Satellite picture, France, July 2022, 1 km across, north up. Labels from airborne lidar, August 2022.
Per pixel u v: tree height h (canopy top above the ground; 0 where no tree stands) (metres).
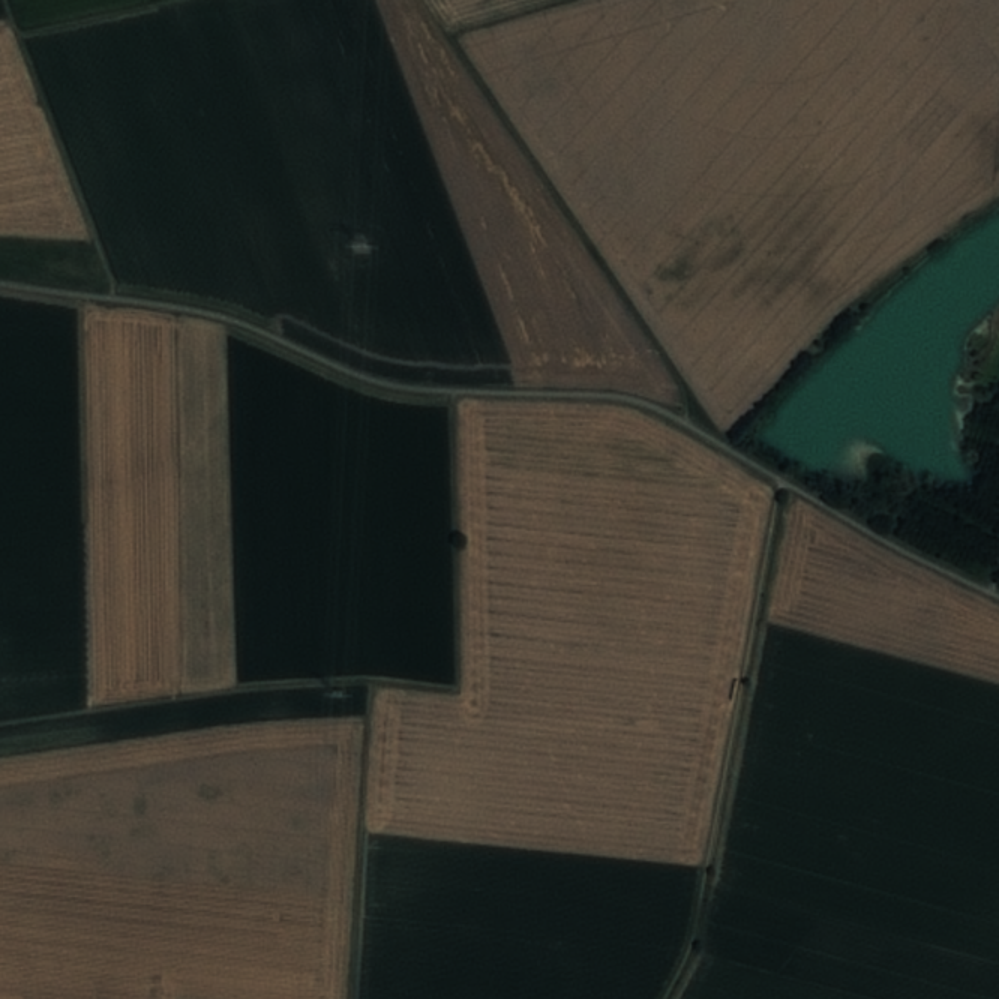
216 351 0
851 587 0
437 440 0
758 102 0
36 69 0
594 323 0
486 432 0
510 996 0
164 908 0
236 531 0
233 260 0
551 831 0
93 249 0
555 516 0
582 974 0
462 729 0
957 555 13
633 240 0
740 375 0
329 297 0
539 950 0
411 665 0
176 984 0
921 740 0
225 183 0
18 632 0
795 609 0
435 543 0
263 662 0
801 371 17
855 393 0
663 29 0
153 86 0
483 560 0
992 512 17
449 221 0
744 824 0
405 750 0
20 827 0
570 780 0
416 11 0
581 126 0
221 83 0
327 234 0
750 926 0
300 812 0
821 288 0
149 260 0
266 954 0
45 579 0
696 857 0
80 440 0
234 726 0
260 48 0
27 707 0
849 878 0
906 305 0
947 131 0
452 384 0
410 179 0
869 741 0
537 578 0
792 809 0
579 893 0
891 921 0
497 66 0
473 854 0
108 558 0
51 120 0
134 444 0
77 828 0
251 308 0
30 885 0
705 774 0
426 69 0
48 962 0
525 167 0
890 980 0
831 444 0
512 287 0
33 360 0
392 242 0
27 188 0
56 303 0
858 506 16
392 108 0
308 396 0
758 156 0
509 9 0
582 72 0
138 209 0
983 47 0
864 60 0
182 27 0
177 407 0
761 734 0
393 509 0
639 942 0
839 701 0
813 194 0
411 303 0
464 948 0
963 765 0
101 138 0
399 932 0
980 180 0
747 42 0
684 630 0
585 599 0
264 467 0
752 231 0
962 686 0
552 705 0
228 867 0
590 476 0
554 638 0
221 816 0
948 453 0
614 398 0
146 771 0
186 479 0
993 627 0
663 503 0
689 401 0
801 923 0
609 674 0
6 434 0
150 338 0
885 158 0
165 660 0
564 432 0
